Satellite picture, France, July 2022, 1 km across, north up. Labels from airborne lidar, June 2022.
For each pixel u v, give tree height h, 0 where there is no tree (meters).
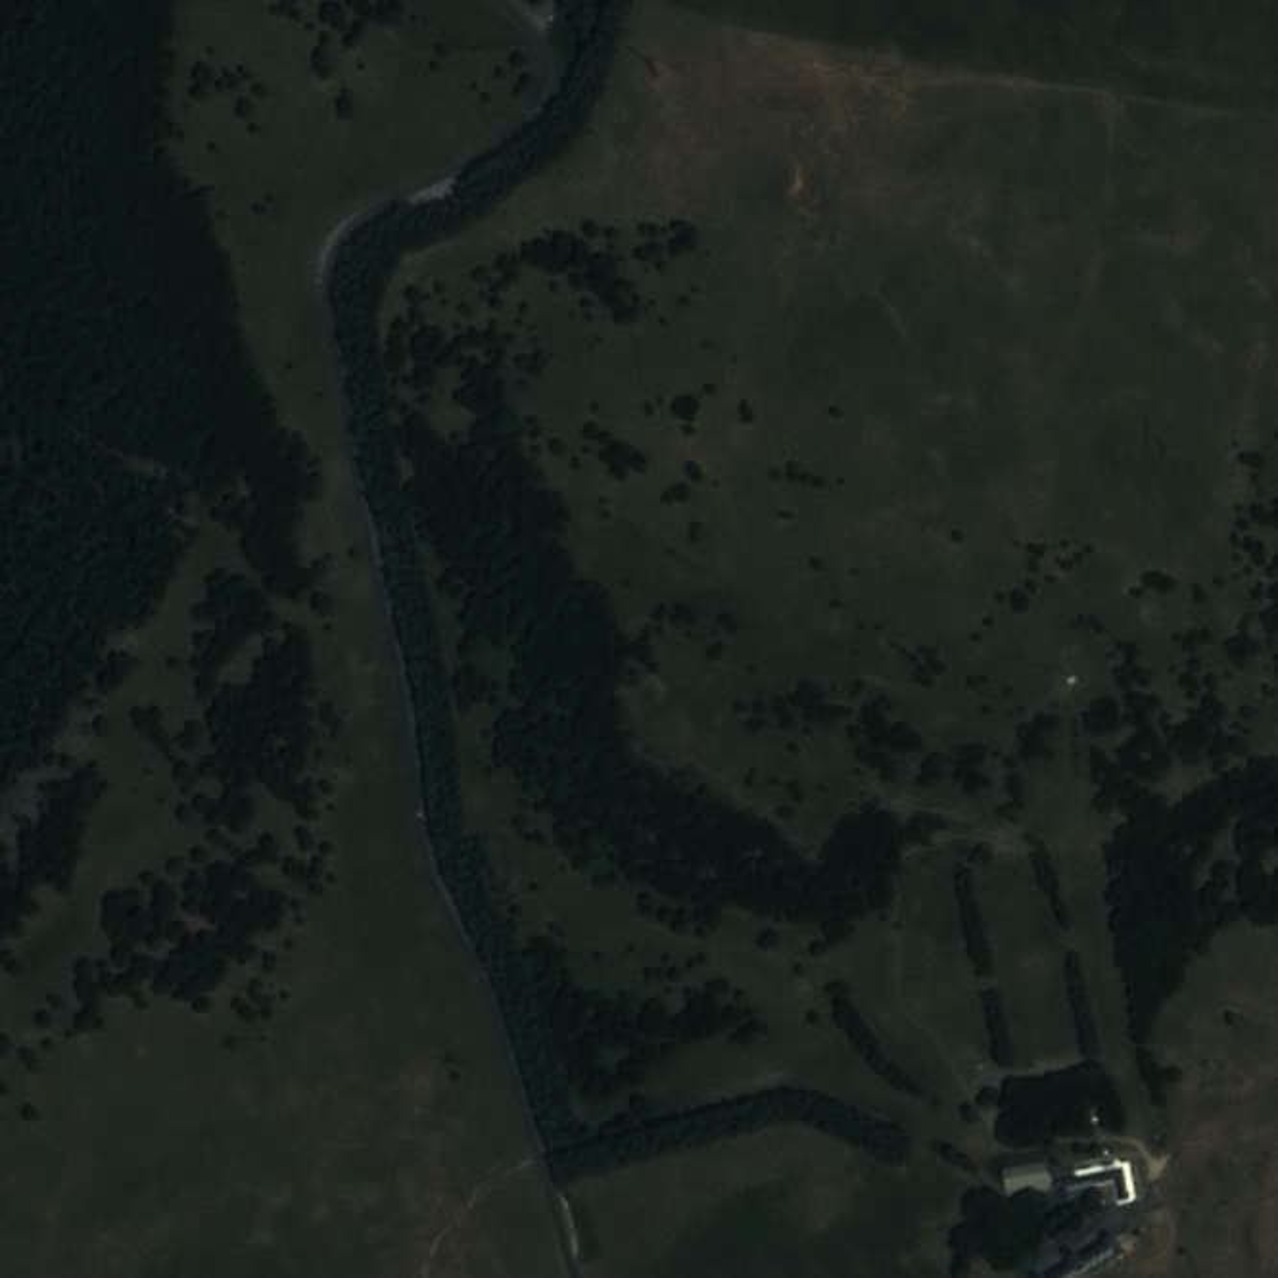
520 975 20
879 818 8
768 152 0
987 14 0
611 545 0
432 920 0
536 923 0
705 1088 0
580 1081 12
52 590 8
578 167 0
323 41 8
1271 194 0
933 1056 0
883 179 0
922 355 0
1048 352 0
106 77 17
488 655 0
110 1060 0
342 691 0
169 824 0
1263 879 11
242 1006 8
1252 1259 0
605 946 0
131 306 16
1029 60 0
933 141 0
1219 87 0
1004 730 0
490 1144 0
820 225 0
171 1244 0
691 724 0
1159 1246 0
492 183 21
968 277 0
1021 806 6
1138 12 0
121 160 17
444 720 16
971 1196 10
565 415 0
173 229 15
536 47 0
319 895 7
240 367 12
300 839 9
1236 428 0
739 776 0
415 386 8
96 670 15
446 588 12
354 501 0
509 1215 0
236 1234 0
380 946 0
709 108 0
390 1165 0
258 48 0
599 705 8
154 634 0
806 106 0
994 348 0
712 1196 0
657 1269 0
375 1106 0
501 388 8
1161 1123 0
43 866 13
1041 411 0
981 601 0
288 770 10
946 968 0
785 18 0
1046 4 0
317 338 0
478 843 9
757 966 0
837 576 0
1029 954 0
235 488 7
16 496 9
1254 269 0
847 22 0
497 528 8
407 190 0
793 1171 0
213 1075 0
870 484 0
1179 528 0
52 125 14
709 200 0
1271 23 0
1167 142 0
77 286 18
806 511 0
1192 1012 0
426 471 11
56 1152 0
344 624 0
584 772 7
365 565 0
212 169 0
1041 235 0
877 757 8
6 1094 7
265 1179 0
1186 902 13
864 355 0
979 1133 0
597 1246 0
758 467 0
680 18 0
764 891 11
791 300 0
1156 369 0
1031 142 0
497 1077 0
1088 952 0
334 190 0
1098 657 0
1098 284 0
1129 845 9
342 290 10
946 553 0
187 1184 0
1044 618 0
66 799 13
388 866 0
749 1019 8
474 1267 0
